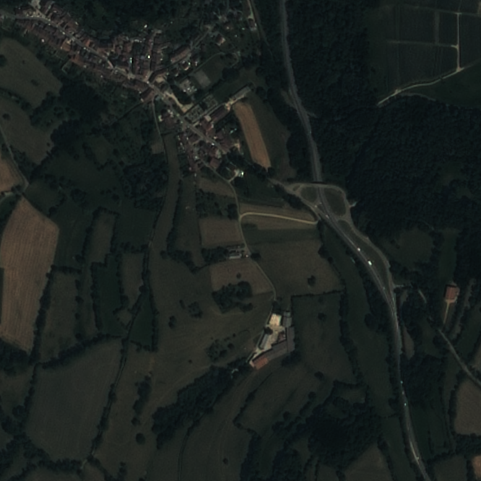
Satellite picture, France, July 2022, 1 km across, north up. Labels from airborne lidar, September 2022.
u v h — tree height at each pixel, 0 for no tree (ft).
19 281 0
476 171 57
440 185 0
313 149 0
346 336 50
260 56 49
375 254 0
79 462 31
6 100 0
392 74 0
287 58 0
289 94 0
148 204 19
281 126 0
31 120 32
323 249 36
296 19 67
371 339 0
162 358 0
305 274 0
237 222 0
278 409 0
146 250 37
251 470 76
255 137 0
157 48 0
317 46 28
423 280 35
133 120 0
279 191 57
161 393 0
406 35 0
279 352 0
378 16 0
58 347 0
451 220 66
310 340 0
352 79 91
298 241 0
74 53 0
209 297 0
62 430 0
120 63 0
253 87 20
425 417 0
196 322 0
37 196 0
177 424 55
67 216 0
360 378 42
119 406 0
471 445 20
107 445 0
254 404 0
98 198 0
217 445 0
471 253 51
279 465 62
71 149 54
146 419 0
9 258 0
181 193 25
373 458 0
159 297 0
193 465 0
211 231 0
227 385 69
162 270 0
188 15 17
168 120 0
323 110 46
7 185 0
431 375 30
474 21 0
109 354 0
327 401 30
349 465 25
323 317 44
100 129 33
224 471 0
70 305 0
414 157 71
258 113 0
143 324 0
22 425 58
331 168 24
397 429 0
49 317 0
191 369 0
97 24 0
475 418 0
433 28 0
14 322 0
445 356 28
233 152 52
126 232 0
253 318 0
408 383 78
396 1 0
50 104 47
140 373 0
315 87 69
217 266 0
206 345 0
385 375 0
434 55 0
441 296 34
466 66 0
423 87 0
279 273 0
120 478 52
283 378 0
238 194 0
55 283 0
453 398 49
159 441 41
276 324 0
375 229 76
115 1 90
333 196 0
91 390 0
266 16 44
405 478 0
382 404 0
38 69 0
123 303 45
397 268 68
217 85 26
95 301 40
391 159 70
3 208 0
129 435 0
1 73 0
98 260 0
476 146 37
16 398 0
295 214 0
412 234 0
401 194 68
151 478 0
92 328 0
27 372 0
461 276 50
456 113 51
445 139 94
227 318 0
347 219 0
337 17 74
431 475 46
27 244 0
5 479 0
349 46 49
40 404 0
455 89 0
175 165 0
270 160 0
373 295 76
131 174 58
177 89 40
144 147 31
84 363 0
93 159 21
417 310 66
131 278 0
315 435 47
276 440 0
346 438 42
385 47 0
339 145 27
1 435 0
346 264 0
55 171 0
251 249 0
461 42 0
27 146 0
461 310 53
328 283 0
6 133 0
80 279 0
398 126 43
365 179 87
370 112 59
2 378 0
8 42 0
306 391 0
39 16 0
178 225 27
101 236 0
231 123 44
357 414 29
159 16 35
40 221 0
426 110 64
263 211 0
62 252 0
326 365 0
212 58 0
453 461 0
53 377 0
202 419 0
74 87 50
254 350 0
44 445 0
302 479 40
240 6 48
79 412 0
